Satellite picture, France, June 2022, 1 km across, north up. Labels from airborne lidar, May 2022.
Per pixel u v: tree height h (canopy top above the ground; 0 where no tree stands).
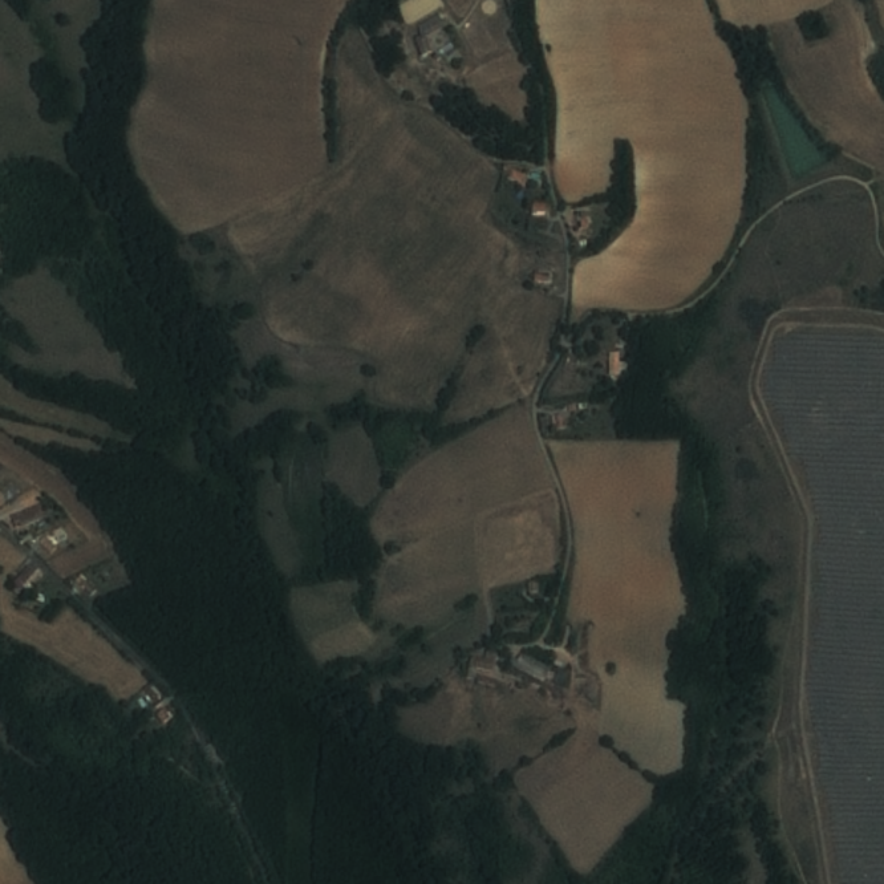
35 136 0
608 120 0
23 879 0
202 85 0
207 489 18
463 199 0
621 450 0
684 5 0
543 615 5
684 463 10
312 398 0
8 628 0
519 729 0
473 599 7
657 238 0
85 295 10
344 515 12
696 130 0
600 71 0
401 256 0
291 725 8
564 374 0
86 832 25
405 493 0
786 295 0
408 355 0
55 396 20
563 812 0
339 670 7
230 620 16
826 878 0
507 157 16
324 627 0
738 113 0
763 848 9
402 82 0
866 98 0
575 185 0
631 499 0
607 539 0
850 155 0
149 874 25
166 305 21
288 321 0
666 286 0
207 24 0
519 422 0
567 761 0
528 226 10
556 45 0
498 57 0
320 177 0
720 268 12
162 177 0
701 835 12
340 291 0
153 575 18
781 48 0
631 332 10
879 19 0
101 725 6
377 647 0
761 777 17
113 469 22
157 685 9
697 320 9
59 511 8
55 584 0
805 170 0
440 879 21
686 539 12
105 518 14
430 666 0
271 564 16
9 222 10
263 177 0
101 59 21
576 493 0
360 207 0
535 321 0
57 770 18
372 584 9
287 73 0
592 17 0
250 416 0
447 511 0
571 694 0
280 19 0
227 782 7
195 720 11
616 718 0
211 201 0
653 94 0
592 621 0
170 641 12
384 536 0
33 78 14
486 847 8
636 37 0
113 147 20
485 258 0
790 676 0
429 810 21
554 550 0
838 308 0
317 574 6
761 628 12
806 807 0
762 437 0
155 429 18
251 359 0
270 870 9
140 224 24
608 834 0
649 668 0
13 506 0
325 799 14
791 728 0
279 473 14
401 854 24
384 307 0
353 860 12
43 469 0
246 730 15
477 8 0
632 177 13
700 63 0
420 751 24
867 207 0
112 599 13
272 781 12
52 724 14
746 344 0
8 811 20
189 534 20
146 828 21
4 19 0
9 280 7
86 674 0
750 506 0
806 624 0
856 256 0
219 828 10
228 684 13
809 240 0
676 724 0
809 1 0
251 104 0
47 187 15
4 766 15
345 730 31
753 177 14
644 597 0
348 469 0
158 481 20
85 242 17
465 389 0
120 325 21
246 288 0
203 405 19
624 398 10
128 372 7
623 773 0
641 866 8
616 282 0
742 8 0
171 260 19
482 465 0
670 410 15
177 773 7
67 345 0
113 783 13
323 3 0
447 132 0
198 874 17
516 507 0
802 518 0
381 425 9
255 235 0
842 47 0
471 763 7
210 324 14
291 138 0
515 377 0
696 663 16
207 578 19
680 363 9
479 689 0
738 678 14
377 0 17
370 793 21
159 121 0
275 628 13
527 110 11
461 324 0
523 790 0
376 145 0
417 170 0
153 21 0
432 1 0
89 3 0
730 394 0
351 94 0
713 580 13
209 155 0
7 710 13
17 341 12
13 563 0
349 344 0
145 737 15
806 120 14
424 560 0
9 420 7
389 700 12
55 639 0
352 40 0
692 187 0
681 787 16
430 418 6
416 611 0
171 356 22
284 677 19
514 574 0
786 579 0
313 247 0
